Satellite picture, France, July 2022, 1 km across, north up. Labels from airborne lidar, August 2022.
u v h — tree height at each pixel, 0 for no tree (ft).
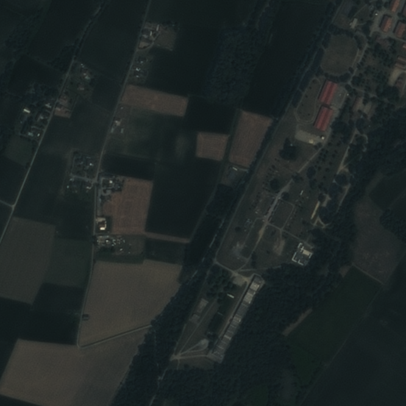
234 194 64
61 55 21
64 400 0
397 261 0
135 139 0
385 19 0
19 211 0
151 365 66
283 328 48
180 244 0
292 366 28
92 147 0
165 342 49
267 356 42
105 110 0
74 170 0
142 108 0
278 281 38
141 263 0
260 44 90
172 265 0
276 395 19
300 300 82
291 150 29
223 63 100
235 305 0
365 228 0
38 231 0
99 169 0
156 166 0
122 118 0
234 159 0
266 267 0
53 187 0
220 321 24
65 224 0
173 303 58
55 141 0
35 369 0
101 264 0
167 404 0
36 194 0
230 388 34
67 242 0
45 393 0
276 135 0
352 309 0
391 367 0
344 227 33
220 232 75
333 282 60
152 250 0
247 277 0
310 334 0
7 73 62
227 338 0
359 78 38
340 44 0
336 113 0
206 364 0
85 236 0
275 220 0
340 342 0
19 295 0
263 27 90
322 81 0
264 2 47
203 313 0
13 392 0
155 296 0
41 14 25
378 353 0
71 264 0
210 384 23
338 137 0
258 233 0
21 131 26
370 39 51
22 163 0
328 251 20
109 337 0
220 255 0
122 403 23
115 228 0
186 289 72
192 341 0
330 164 39
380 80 53
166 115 0
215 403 52
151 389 64
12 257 0
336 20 0
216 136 0
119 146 0
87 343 0
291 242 0
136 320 0
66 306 0
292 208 0
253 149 0
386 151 62
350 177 0
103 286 0
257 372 55
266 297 32
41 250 0
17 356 0
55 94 65
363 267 0
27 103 52
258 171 0
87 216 0
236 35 103
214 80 91
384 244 0
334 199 62
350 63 0
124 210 0
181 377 71
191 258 35
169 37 0
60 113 0
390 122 54
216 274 87
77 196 0
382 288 0
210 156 0
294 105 58
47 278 0
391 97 61
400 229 40
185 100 0
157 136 0
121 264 0
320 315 0
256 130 0
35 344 0
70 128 0
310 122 0
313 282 67
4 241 0
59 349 0
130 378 21
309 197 0
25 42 45
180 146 0
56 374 0
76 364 0
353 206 35
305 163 0
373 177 25
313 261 74
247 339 40
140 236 0
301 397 50
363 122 71
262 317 42
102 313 0
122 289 0
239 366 31
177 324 39
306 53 22
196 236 31
